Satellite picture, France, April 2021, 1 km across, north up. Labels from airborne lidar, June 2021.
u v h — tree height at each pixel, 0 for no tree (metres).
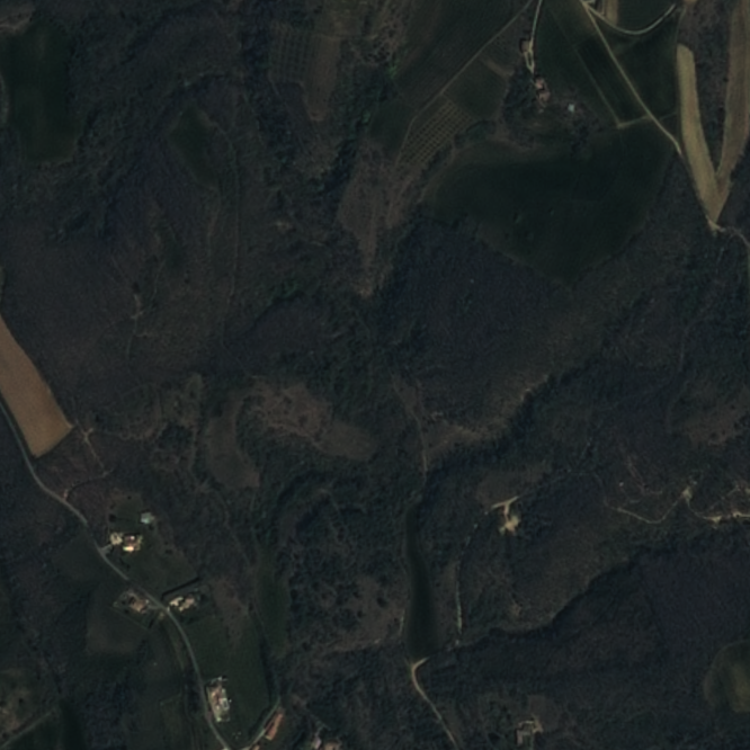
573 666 8
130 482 18
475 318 15
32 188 19
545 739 12
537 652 8
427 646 0
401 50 7
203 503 11
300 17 14
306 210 22
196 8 14
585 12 0
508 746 0
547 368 16
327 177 21
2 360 0
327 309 19
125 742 10
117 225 24
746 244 12
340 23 0
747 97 0
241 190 8
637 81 0
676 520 18
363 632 8
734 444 13
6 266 10
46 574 8
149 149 24
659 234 14
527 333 10
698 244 15
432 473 7
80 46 16
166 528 14
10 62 0
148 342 13
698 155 0
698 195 10
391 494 18
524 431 23
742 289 11
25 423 0
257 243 9
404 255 24
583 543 13
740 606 20
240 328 19
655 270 17
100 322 15
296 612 14
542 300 15
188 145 0
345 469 6
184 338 9
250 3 23
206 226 6
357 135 14
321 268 16
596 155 0
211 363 16
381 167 6
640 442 21
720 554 24
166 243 6
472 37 0
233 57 13
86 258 20
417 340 15
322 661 13
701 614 21
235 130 21
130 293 7
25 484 12
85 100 16
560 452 14
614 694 10
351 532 9
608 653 7
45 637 7
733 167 0
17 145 10
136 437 6
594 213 0
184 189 18
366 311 19
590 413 9
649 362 13
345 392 10
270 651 20
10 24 0
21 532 9
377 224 6
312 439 9
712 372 10
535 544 9
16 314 12
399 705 7
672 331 13
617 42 0
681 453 20
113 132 6
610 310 17
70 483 8
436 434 0
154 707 0
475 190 0
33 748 0
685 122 0
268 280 11
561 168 0
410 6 0
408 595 7
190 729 0
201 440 13
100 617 0
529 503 9
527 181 0
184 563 0
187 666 0
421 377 11
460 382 12
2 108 16
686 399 8
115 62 22
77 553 0
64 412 8
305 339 21
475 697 12
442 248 20
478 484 11
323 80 0
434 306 18
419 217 17
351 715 7
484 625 13
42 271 15
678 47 0
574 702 9
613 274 13
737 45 0
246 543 14
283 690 9
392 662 7
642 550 21
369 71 10
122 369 17
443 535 14
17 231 16
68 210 19
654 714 12
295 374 13
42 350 10
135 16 27
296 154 9
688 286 19
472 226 7
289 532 0
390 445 16
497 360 13
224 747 0
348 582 14
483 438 7
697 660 18
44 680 10
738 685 0
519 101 12
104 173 10
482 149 0
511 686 14
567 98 0
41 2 12
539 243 0
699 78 10
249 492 10
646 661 7
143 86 10
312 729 12
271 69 9
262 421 8
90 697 8
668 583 20
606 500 14
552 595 13
